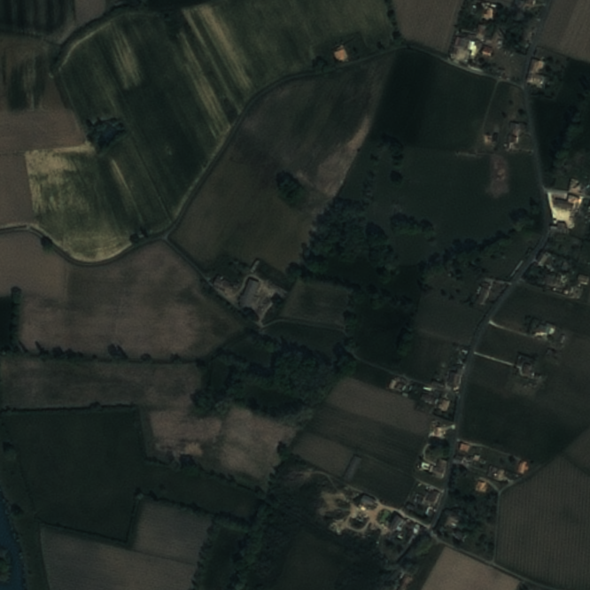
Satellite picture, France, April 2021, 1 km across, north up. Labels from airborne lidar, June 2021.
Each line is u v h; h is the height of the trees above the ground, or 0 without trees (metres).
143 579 0
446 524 0
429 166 0
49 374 0
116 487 0
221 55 0
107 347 0
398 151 18
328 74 11
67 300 0
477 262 14
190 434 0
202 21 0
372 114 0
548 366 0
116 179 0
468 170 0
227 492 0
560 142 0
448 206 0
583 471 0
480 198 0
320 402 14
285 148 0
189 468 24
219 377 0
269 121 0
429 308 0
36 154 0
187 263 0
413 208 0
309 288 0
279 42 0
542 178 0
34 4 0
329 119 0
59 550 0
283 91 0
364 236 24
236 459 0
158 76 0
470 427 0
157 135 0
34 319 0
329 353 0
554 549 0
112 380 0
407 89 0
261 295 0
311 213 0
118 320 0
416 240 0
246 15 0
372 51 0
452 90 0
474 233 0
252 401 0
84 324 0
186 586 0
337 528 0
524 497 0
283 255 0
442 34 0
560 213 0
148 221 0
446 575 0
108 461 0
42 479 0
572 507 0
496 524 0
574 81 0
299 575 0
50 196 0
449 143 0
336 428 0
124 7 6
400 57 0
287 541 16
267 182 0
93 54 0
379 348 0
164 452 0
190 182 0
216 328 0
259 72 0
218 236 0
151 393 0
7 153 0
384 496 0
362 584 0
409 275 0
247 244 0
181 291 0
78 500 0
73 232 0
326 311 0
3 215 0
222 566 0
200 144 0
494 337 0
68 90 0
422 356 0
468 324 0
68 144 0
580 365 0
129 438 0
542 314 0
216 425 0
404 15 0
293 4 0
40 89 0
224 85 0
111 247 0
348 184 0
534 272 6
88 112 0
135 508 7
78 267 0
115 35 0
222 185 0
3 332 0
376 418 0
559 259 10
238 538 0
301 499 0
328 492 0
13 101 0
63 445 0
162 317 0
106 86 0
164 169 0
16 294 14
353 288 20
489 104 0
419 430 0
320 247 23
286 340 0
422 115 0
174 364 14
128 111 0
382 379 0
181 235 0
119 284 0
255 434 0
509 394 0
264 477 0
